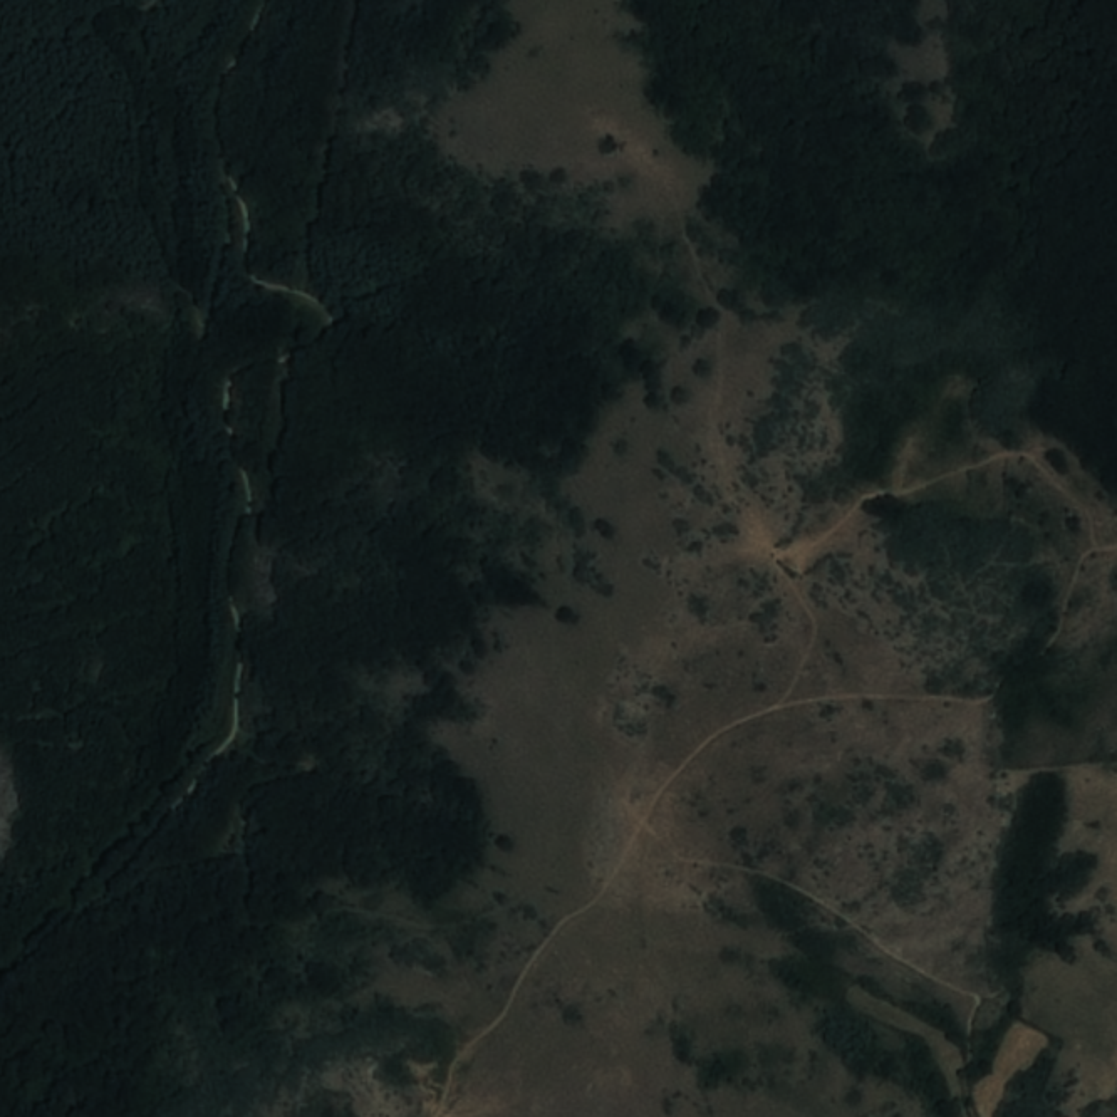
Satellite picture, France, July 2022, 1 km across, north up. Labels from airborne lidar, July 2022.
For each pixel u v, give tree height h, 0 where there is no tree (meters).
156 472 14
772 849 0
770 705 0
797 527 0
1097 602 0
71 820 13
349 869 11
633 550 0
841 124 11
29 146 21
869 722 0
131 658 11
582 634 0
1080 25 17
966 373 7
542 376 13
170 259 16
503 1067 0
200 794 11
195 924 15
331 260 24
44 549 18
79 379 10
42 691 11
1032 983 0
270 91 14
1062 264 20
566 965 0
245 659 9
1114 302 19
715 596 0
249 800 12
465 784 11
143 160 20
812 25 13
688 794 0
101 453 13
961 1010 0
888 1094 0
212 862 10
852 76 7
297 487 20
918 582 0
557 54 0
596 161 0
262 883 13
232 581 17
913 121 8
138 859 17
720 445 0
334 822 16
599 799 0
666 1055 0
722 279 0
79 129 22
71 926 22
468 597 8
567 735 0
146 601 14
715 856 0
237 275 17
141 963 14
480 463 0
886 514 12
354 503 7
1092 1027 0
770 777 0
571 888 0
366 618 12
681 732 0
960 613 0
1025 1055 0
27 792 12
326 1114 0
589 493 0
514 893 0
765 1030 0
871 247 6
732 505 0
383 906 0
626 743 0
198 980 7
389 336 25
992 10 14
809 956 0
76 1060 8
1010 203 19
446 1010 0
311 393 12
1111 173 17
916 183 13
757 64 11
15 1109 16
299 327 9
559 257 6
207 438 21
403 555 10
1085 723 0
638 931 0
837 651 0
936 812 0
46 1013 19
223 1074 6
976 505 0
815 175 12
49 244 21
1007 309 6
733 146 8
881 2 7
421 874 10
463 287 12
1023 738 0
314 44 18
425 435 7
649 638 0
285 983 8
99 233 22
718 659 0
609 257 6
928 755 0
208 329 12
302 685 9
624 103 0
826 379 0
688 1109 0
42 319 11
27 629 16
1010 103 14
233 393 11
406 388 18
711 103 6
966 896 0
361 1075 0
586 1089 0
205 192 21
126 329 8
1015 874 13
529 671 0
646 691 0
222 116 16
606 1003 0
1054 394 19
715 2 10
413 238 14
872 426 8
